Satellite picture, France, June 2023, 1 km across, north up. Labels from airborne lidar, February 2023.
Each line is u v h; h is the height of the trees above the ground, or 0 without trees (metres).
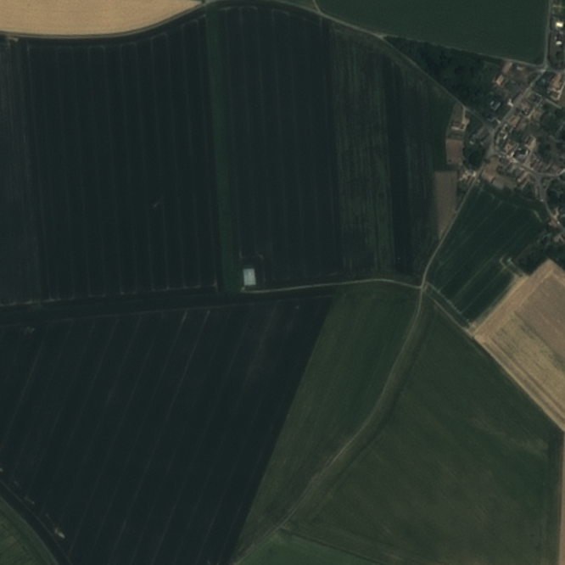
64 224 0
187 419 0
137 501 0
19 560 0
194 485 0
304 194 0
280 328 0
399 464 0
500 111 9
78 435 0
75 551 0
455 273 0
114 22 0
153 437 0
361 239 0
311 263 0
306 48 0
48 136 0
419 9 0
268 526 0
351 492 0
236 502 0
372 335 0
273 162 0
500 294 0
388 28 0
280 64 0
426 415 0
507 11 0
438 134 0
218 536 0
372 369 0
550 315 0
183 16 0
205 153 0
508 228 0
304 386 0
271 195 0
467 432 0
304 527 0
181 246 0
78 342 0
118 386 0
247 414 0
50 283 0
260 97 0
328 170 0
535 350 0
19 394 0
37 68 0
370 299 0
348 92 0
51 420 0
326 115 0
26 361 0
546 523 0
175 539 0
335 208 0
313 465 0
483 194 0
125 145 0
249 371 0
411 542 0
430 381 0
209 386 0
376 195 0
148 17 0
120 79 0
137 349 0
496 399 0
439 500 0
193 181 0
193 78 0
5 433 0
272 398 0
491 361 0
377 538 0
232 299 0
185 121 0
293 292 0
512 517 0
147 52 0
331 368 0
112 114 0
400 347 0
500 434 0
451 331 0
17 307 0
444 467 0
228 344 0
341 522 0
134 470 0
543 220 0
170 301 0
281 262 0
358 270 0
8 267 0
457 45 0
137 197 0
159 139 0
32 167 0
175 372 0
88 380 0
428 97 0
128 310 0
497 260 0
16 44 0
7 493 0
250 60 0
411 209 0
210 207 0
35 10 0
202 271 0
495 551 0
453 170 0
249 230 0
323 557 0
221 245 0
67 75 0
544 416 0
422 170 0
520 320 0
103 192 0
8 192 0
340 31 0
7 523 0
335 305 0
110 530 0
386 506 0
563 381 0
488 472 0
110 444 0
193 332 0
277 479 0
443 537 0
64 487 0
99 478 0
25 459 0
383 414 0
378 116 0
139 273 0
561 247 7
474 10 0
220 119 0
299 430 0
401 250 0
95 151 0
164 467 0
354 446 0
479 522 0
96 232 0
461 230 0
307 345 0
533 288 0
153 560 0
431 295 0
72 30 0
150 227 0
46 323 0
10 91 0
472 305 0
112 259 0
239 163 0
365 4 0
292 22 0
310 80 0
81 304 0
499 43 0
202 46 0
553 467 0
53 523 0
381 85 0
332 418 0
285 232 0
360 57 0
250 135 0
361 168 0
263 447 0
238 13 0
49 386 0
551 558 0
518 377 0
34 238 0
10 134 0
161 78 0
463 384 0
